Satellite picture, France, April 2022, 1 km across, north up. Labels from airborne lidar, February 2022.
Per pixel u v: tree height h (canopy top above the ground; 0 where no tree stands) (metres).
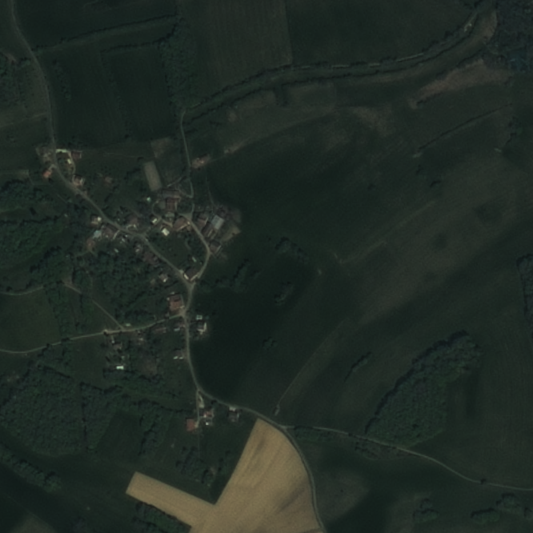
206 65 0
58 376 22
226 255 0
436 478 0
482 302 0
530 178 0
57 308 11
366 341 0
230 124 0
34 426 20
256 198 0
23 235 14
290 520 0
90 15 0
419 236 0
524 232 0
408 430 25
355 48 0
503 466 0
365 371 0
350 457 0
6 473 0
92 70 0
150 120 0
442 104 0
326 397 0
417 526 0
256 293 0
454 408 0
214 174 0
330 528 0
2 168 0
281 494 0
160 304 8
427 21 0
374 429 17
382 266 0
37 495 0
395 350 0
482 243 0
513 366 0
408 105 0
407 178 0
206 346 0
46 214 0
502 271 0
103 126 0
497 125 0
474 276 0
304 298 0
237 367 0
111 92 0
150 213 12
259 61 0
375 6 0
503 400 0
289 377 0
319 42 0
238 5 0
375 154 0
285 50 0
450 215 0
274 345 5
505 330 0
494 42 7
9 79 18
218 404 12
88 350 0
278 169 0
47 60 0
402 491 0
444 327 0
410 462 0
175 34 9
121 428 0
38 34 0
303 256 13
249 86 12
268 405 0
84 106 0
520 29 23
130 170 0
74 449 17
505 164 0
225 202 0
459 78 0
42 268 16
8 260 23
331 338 0
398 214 0
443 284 0
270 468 0
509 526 0
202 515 0
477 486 0
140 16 0
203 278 0
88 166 0
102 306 0
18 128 0
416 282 0
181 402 0
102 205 0
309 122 0
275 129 0
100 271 12
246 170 0
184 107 18
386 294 0
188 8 0
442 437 0
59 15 0
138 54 0
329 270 0
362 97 0
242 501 0
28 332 0
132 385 16
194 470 18
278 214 0
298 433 9
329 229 0
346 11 0
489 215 0
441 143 0
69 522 0
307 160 0
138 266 12
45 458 0
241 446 0
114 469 0
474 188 0
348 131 0
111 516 0
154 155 0
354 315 0
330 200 0
